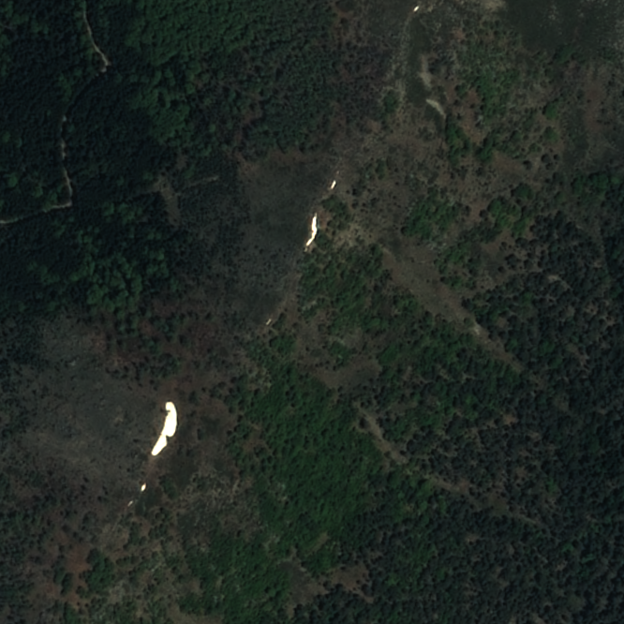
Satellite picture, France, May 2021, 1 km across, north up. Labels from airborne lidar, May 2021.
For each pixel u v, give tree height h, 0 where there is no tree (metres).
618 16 0
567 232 16
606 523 9
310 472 9
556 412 31
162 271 16
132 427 0
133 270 18
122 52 20
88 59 26
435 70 25
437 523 32
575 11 0
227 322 10
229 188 9
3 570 7
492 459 34
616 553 12
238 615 19
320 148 9
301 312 13
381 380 11
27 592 8
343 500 9
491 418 21
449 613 13
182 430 0
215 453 0
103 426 0
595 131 0
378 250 27
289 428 13
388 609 24
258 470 20
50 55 29
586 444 16
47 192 24
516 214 17
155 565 10
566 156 0
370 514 18
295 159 0
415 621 21
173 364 19
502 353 0
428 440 24
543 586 24
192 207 8
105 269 15
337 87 9
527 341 23
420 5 0
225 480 0
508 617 20
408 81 0
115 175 11
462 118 23
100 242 23
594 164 0
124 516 10
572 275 15
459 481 20
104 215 22
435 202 13
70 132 18
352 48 10
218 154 7
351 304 15
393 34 0
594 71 0
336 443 7
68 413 0
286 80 19
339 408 12
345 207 15
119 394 0
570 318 8
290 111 21
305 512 17
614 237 14
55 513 0
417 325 15
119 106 24
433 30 0
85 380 0
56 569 9
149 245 13
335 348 9
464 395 24
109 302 19
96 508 0
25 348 8
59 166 26
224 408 0
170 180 6
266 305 0
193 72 25
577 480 36
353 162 0
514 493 35
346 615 25
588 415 18
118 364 0
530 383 14
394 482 26
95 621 9
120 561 13
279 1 16
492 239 14
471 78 7
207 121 9
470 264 8
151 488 0
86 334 0
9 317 12
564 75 14
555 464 17
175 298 7
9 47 26
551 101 13
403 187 0
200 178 8
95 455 0
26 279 23
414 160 0
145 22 20
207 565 7
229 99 13
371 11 0
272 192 0
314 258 12
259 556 13
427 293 0
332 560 9
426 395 24
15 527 14
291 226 0
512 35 12
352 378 0
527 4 0
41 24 28
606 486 28
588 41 0
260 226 0
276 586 18
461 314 0
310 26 17
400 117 0
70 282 21
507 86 12
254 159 17
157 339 11
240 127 8
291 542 9
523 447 34
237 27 19
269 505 12
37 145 10
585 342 32
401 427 20
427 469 30
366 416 7
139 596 7
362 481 7
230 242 6
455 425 28
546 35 0
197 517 0
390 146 0
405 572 18
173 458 0
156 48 27
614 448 15
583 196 11
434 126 0
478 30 10
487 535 31
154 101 23
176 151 6
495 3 0
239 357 9
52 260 21
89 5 8
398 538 23
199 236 6
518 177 0
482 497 21
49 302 12
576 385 31
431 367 6
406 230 18
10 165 17
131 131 15
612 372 31
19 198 24
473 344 14
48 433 0
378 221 0
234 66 7
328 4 9
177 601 6
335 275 10
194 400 15
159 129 21
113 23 23
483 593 21
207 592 7
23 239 20
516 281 20
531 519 28
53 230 20
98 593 15
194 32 18
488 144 24
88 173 17
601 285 17
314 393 19
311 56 15
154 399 0
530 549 9
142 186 17
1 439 6
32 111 19
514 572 29
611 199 23
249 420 11
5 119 20
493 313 23
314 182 0
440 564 18
